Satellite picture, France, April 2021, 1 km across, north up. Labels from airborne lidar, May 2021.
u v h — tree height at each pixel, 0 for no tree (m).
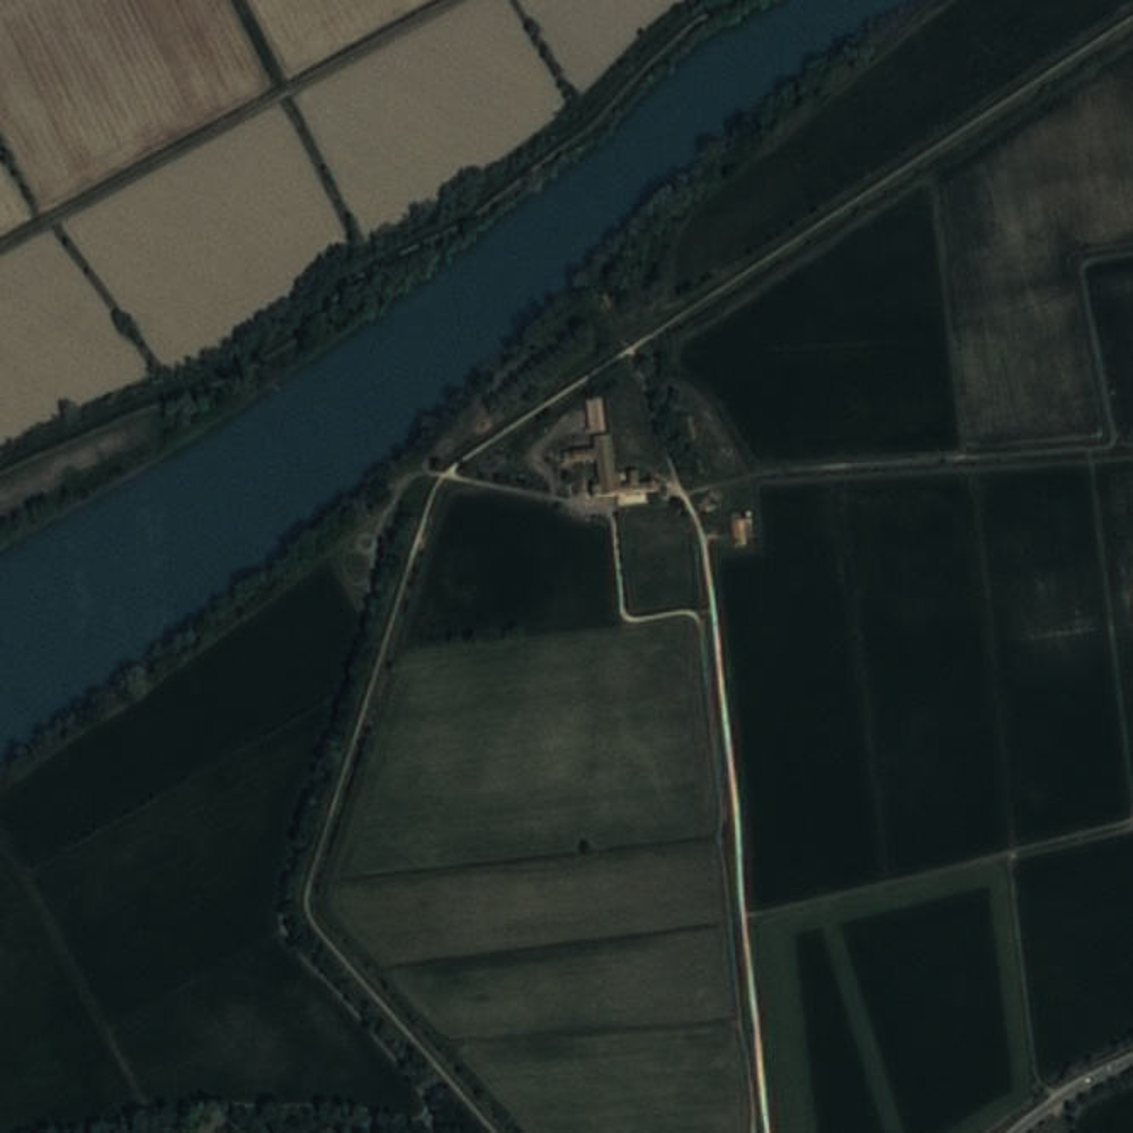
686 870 0
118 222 0
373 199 0
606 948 0
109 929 0
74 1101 0
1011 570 0
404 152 0
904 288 0
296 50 0
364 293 18
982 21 0
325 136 0
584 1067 0
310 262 0
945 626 0
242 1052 0
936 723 0
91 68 0
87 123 0
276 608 0
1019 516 0
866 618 0
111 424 0
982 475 0
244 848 0
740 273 0
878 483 0
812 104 10
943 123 0
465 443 0
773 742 0
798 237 0
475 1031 0
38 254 0
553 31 0
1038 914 0
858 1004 0
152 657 8
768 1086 0
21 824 0
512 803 0
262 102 0
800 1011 0
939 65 0
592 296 18
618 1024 0
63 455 0
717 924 0
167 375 7
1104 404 0
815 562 0
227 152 0
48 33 0
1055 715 0
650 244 11
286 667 0
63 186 0
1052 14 0
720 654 0
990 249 0
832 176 0
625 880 0
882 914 0
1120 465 0
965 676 0
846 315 0
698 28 7
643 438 0
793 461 0
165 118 0
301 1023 0
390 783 0
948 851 0
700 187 20
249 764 0
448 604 0
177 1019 0
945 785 0
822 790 0
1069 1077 7
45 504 14
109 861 0
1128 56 0
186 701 0
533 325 22
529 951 0
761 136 20
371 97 0
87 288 0
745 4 15
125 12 0
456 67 0
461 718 0
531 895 0
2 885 0
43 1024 0
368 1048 0
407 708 0
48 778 0
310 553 16
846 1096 0
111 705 6
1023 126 0
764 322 0
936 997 0
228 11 0
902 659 0
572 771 0
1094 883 0
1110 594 0
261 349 8
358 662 17
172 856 0
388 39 0
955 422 0
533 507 0
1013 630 0
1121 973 0
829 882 0
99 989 0
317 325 19
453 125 0
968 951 0
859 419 0
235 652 0
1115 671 0
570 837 0
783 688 0
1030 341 0
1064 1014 0
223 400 12
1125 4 0
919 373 0
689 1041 0
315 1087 0
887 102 0
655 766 0
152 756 0
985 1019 0
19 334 0
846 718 0
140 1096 0
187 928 0
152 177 0
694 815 0
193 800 0
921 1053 0
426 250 10
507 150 0
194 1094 0
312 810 18
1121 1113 0
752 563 0
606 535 0
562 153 7
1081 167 0
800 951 0
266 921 0
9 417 0
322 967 15
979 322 0
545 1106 0
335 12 0
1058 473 0
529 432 0
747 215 0
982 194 0
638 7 0
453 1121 15
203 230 0
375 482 7
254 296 0
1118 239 0
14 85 0
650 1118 0
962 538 0
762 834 0
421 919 0
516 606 0
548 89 0
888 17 7
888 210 0
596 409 0
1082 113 0
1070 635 0
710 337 0
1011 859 0
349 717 15
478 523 0
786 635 0
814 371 0
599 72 0
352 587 0
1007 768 0
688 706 0
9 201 0
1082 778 0
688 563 0
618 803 0
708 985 0
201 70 0
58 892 0
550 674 0
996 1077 0
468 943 0
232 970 0
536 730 0
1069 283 0
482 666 0
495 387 14
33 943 0
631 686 0
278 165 0
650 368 19
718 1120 0
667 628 0
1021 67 0
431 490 0
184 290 0
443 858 0
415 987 0
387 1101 0
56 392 0
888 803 0
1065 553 0
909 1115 0
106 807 0
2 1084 0
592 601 0
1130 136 0
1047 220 0
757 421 0
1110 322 0
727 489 0
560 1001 0
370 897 0
